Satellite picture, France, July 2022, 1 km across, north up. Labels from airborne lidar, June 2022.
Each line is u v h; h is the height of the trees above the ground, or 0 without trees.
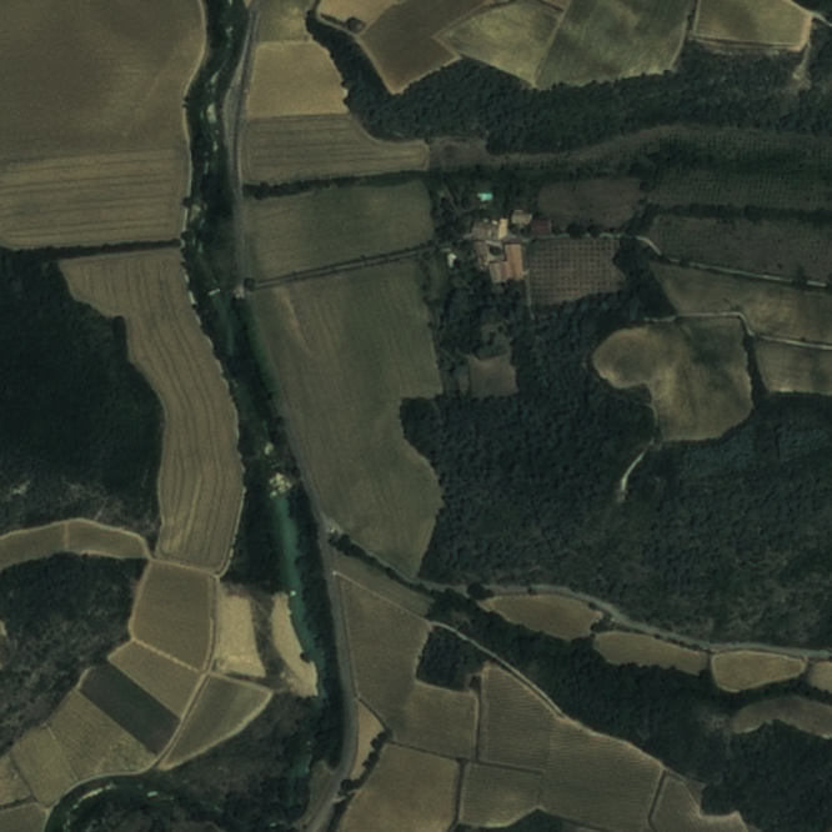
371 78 11
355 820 0
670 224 9
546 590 0
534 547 6
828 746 8
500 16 0
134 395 7
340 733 7
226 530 0
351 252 0
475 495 18
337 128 0
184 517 0
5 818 0
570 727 0
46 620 6
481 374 0
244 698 0
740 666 0
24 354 12
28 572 9
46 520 6
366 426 0
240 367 30
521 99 16
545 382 11
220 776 0
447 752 0
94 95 0
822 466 8
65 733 0
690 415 0
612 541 6
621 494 0
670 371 0
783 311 0
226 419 0
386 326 0
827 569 7
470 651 13
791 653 0
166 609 0
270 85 0
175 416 0
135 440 9
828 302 0
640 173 14
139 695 0
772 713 0
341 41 11
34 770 0
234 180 0
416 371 0
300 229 0
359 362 0
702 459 11
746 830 0
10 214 0
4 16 0
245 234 0
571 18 0
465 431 15
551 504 19
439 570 6
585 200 0
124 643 0
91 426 8
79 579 8
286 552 0
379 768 0
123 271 0
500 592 0
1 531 11
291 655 0
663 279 0
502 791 0
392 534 0
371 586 0
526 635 6
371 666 0
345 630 0
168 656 0
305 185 7
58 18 0
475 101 6
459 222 10
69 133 0
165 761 0
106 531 0
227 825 12
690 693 10
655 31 0
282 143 0
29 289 10
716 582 7
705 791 8
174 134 0
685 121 12
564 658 8
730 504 13
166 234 0
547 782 0
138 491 6
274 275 0
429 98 12
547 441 19
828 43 8
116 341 7
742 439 14
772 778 15
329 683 17
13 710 8
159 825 14
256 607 0
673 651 0
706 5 0
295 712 0
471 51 0
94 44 0
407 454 0
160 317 0
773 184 7
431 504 0
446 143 0
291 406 0
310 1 0
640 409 7
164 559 0
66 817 0
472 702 0
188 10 0
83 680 0
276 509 0
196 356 0
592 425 19
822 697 19
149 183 0
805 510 15
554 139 7
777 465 6
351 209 0
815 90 6
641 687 19
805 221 8
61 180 0
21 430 8
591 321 15
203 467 0
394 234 0
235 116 0
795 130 12
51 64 0
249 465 12
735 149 9
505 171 7
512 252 0
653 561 11
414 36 0
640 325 8
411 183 0
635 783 0
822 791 6
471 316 9
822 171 9
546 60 0
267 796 12
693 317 0
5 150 0
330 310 0
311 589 10
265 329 0
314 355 0
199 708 0
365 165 0
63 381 9
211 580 0
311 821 0
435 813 0
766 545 15
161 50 0
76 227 0
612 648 0
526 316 8
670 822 0
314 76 0
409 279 0
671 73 9
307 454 0
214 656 0
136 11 0
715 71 5
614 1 0
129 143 0
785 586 13
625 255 12
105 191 0
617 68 0
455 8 0
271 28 0
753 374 9
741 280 0
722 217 9
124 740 0
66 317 9
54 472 9
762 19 0
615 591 15
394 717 0
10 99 0
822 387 0
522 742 0
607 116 8
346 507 0
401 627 0
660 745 11
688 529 10
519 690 0
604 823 0
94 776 0
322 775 0
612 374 0
